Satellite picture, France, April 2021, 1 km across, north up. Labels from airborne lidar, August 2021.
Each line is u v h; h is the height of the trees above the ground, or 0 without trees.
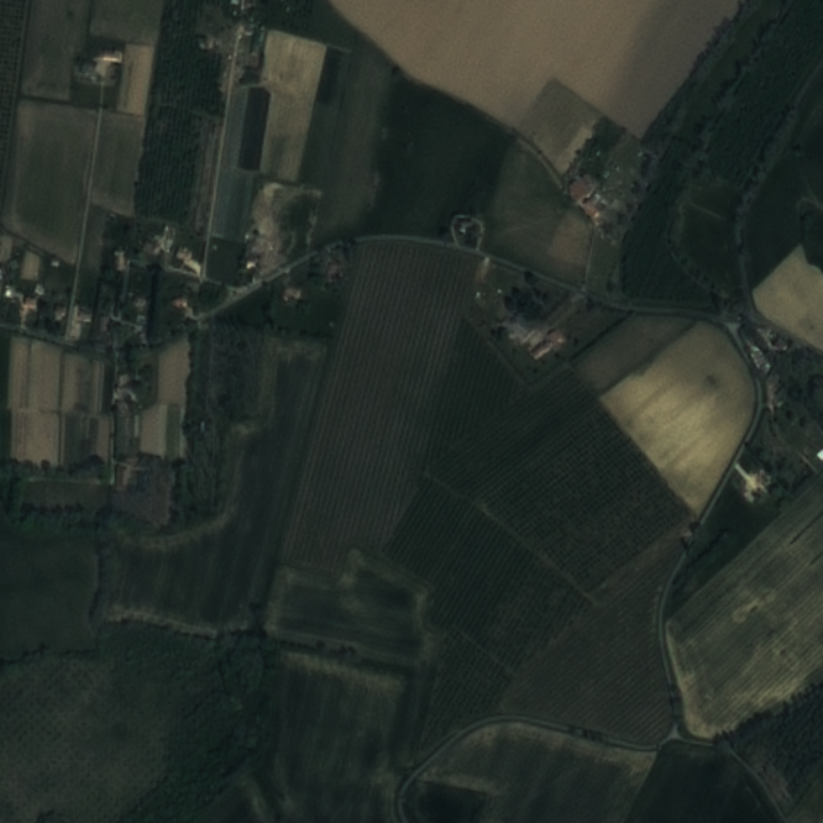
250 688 9
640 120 0
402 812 0
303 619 0
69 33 0
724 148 8
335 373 7
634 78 0
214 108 9
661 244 8
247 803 0
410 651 0
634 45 0
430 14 0
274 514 0
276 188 0
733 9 0
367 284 7
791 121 18
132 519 19
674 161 8
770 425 7
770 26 10
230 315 0
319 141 0
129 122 0
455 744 0
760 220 0
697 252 0
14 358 0
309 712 0
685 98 7
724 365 0
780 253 0
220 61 8
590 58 0
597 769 0
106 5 0
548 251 0
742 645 0
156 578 0
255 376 26
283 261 0
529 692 5
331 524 6
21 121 0
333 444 6
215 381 24
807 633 0
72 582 0
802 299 0
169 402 0
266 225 0
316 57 0
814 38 7
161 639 13
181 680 7
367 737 0
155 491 23
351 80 0
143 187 7
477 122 0
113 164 0
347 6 0
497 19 0
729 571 0
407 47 0
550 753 0
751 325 15
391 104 0
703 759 0
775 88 8
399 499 7
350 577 0
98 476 20
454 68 0
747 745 23
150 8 0
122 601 0
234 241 0
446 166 0
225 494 0
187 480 10
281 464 0
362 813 0
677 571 0
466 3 0
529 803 0
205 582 0
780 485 8
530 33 0
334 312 0
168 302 11
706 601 0
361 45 0
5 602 0
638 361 0
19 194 0
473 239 13
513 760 0
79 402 0
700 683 0
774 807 0
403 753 0
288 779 0
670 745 0
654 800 0
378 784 0
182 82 7
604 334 8
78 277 0
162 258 11
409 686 0
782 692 0
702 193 0
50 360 0
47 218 0
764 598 0
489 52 0
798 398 9
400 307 6
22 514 14
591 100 0
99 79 8
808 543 0
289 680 0
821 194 0
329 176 0
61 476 12
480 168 0
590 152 9
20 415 0
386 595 0
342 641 0
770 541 0
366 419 7
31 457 0
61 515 14
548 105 0
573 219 0
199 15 10
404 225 0
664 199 10
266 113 0
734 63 0
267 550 0
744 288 0
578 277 0
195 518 24
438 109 0
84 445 0
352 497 6
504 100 0
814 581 0
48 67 0
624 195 0
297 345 0
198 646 12
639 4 0
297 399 0
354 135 0
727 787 0
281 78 0
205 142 0
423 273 6
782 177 0
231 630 0
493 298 0
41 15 0
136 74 0
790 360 15
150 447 0
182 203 0
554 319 13
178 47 6
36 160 0
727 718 0
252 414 25
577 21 0
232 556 0
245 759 10
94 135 0
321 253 14
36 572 0
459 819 0
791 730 16
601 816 0
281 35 0
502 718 0
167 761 7
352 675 0
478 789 0
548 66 0
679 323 0
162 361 0
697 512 0
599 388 0
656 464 0
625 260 6
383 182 0
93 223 0
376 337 6
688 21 0
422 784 0
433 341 6
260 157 0
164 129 7
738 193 0
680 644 0
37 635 0
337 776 0
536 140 0
